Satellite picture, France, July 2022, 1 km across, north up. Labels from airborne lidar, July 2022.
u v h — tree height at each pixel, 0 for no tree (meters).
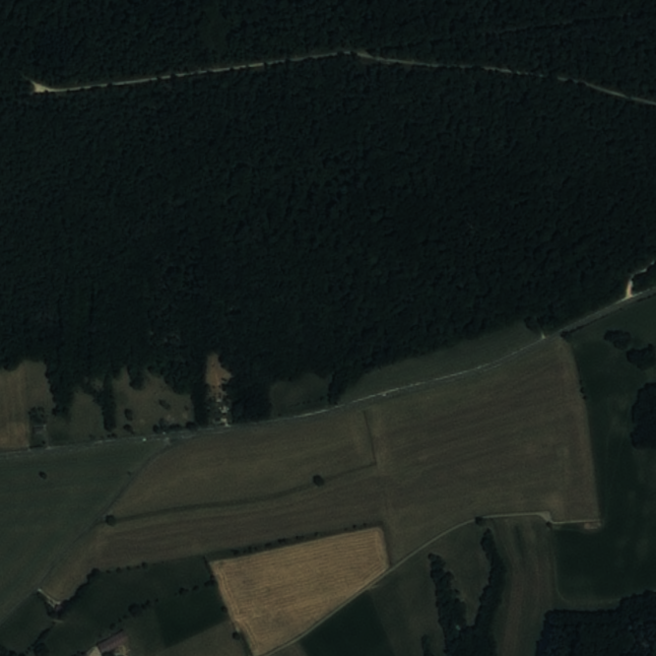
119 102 13
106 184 14
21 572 0
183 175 19
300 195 25
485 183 22
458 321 22
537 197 16
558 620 20
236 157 19
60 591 0
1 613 0
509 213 24
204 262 24
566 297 26
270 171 23
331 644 0
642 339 0
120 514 0
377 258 20
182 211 21
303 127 14
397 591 0
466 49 10
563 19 19
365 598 0
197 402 9
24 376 0
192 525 0
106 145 17
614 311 0
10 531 0
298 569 0
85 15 19
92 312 20
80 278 18
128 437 0
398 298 22
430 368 0
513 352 0
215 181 17
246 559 0
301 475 0
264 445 0
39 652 15
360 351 27
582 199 22
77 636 0
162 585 0
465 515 0
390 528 0
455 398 0
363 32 21
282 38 17
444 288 22
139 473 0
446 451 0
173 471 0
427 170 22
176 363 18
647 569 0
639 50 21
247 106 19
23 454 0
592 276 19
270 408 14
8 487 0
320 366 17
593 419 0
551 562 0
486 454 0
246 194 12
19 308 15
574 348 0
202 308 23
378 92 22
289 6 24
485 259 20
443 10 26
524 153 20
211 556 0
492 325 20
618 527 0
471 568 0
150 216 12
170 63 7
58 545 0
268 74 15
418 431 0
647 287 11
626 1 21
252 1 24
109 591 0
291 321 21
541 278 24
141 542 0
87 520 0
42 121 19
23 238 19
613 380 0
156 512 0
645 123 22
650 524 0
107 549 0
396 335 21
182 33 19
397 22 12
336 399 10
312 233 25
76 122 11
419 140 18
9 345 19
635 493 0
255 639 0
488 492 0
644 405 14
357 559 0
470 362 0
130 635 0
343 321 21
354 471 0
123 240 18
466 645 21
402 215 20
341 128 18
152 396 0
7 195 10
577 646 22
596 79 15
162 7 25
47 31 23
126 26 20
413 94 17
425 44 20
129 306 22
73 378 16
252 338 20
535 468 0
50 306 19
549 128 21
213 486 0
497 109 19
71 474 0
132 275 20
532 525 0
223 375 0
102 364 23
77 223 17
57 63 12
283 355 20
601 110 19
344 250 23
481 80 19
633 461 0
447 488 0
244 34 19
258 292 24
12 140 18
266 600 0
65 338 21
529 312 22
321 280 21
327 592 0
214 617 0
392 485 0
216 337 26
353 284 15
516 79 16
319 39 17
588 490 0
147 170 19
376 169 26
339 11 23
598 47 19
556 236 21
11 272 15
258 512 0
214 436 0
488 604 17
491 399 0
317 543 0
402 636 0
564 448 0
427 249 25
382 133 21
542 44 21
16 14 19
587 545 0
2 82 20
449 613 11
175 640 0
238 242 26
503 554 0
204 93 18
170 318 19
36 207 18
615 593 0
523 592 0
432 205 21
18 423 0
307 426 0
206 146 20
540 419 0
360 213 25
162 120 18
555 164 22
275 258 20
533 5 22
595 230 13
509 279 27
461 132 23
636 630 34
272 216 22
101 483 0
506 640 0
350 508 0
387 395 0
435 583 7
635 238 14
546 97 19
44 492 0
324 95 20
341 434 0
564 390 0
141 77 7
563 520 0
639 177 20
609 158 18
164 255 23
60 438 0
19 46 24
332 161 19
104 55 11
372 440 0
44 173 12
